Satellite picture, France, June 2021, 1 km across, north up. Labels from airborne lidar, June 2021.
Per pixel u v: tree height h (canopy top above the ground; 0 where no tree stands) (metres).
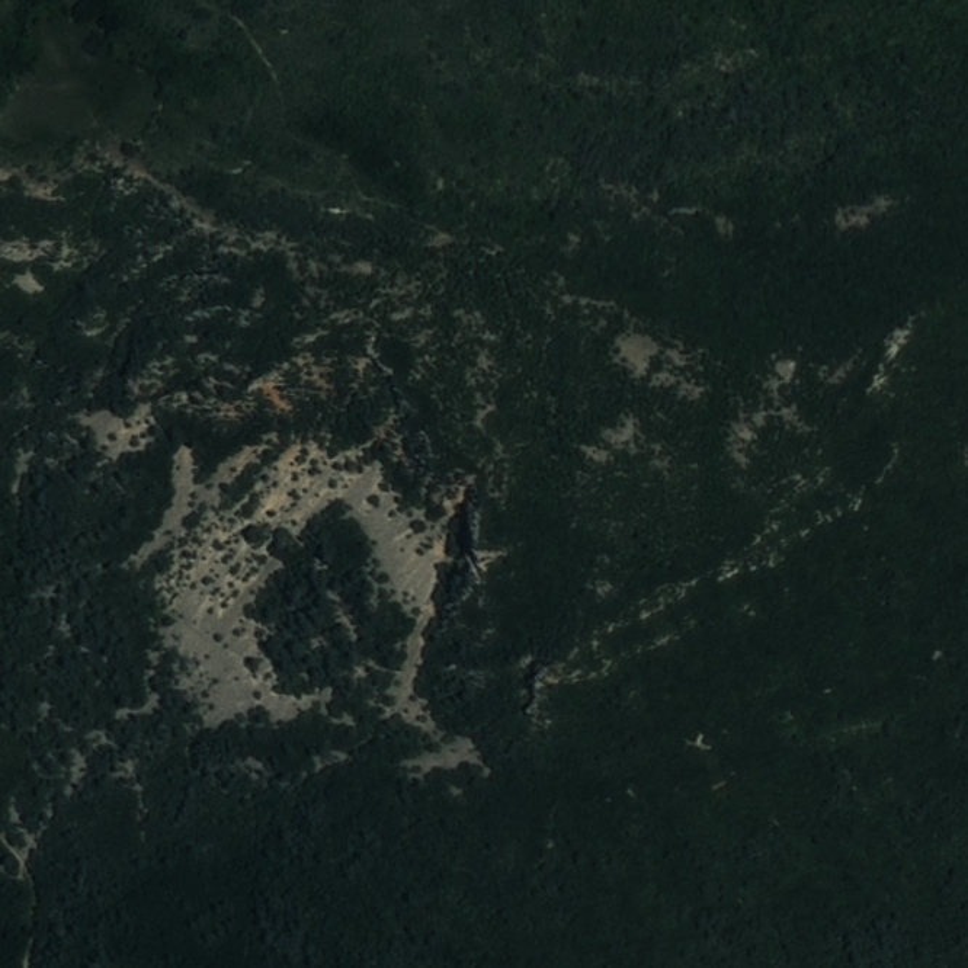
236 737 11
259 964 12
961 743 7
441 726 6
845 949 15
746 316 8
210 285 7
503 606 9
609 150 9
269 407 9
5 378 9
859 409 7
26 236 10
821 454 6
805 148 5
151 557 6
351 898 8
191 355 10
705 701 7
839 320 8
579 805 9
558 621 5
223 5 6
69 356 10
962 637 17
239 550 0
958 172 10
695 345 8
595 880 10
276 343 9
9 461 10
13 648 8
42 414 10
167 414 10
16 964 10
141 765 6
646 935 11
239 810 6
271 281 10
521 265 8
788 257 8
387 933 8
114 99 0
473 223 5
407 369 7
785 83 9
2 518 9
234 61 6
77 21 9
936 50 9
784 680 6
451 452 7
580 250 6
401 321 6
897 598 6
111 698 10
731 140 6
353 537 10
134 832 7
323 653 14
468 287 8
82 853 8
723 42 6
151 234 9
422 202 5
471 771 16
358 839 8
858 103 6
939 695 11
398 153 5
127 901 13
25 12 6
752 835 13
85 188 11
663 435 7
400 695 0
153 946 11
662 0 8
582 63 8
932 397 10
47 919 7
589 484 5
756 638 9
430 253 7
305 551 7
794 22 7
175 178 8
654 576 6
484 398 6
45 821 15
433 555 0
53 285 11
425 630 7
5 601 11
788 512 6
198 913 9
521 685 7
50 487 7
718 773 7
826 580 7
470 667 7
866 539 6
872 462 6
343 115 6
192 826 6
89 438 8
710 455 7
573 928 10
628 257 6
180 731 15
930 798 16
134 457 10
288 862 6
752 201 12
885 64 6
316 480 0
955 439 9
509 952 11
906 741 8
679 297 7
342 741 12
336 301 8
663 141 6
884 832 8
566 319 6
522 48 8
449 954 13
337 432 11
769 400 6
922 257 8
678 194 7
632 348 0
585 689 8
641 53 7
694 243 6
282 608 8
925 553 10
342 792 10
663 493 6
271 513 9
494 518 6
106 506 7
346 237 8
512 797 9
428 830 9
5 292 9
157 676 6
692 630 8
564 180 9
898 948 13
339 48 9
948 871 6
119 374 9
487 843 10
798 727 10
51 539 10
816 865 8
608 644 9
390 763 7
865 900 8
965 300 6
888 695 10
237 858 10
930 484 9
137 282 9
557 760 7
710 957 9
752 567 18
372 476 0
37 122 0
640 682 7
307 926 9
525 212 9
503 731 6
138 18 7
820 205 10
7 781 7
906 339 9
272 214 10
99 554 9
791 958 11
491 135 7
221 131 12
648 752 7
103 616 10
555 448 12
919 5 7
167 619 13
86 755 6
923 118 10
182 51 6
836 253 9
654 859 11
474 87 6
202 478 12
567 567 6
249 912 10
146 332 9
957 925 7
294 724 7
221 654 0
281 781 18
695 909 11
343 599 8
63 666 24
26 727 10
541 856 14
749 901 8
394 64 6
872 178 13
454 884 7
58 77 0
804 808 10
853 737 6
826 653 7
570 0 7
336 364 7
